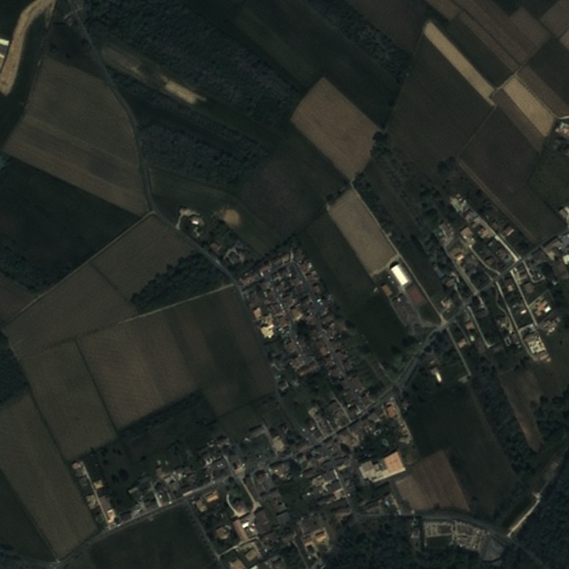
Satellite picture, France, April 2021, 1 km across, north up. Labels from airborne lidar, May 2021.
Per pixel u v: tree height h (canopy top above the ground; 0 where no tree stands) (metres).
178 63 7
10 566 13
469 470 0
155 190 0
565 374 0
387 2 0
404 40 0
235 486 8
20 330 0
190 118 6
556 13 0
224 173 14
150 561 0
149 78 0
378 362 16
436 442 0
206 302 0
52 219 0
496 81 0
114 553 0
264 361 0
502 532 0
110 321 0
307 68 0
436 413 0
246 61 5
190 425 0
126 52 0
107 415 0
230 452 16
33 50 0
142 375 0
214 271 11
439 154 0
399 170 8
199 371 0
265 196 0
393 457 0
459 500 0
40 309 0
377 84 0
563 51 0
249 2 0
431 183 8
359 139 0
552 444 23
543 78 0
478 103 0
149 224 0
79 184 0
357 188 9
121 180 0
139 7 6
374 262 0
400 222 0
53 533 0
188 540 0
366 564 22
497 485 0
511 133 0
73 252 0
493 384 17
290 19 0
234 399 0
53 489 0
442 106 0
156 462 0
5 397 7
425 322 0
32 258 0
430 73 0
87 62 0
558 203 0
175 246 0
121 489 0
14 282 8
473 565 22
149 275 0
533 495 0
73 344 0
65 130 0
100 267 0
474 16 0
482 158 0
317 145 0
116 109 0
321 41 0
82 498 0
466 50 0
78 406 0
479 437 0
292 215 0
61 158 0
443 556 15
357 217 0
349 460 0
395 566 27
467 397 0
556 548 24
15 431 0
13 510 0
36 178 0
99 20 9
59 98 0
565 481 25
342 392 13
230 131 10
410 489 0
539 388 0
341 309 8
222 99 7
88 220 0
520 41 0
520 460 15
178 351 0
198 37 6
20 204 0
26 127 0
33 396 0
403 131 0
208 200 0
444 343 23
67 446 0
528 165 0
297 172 0
